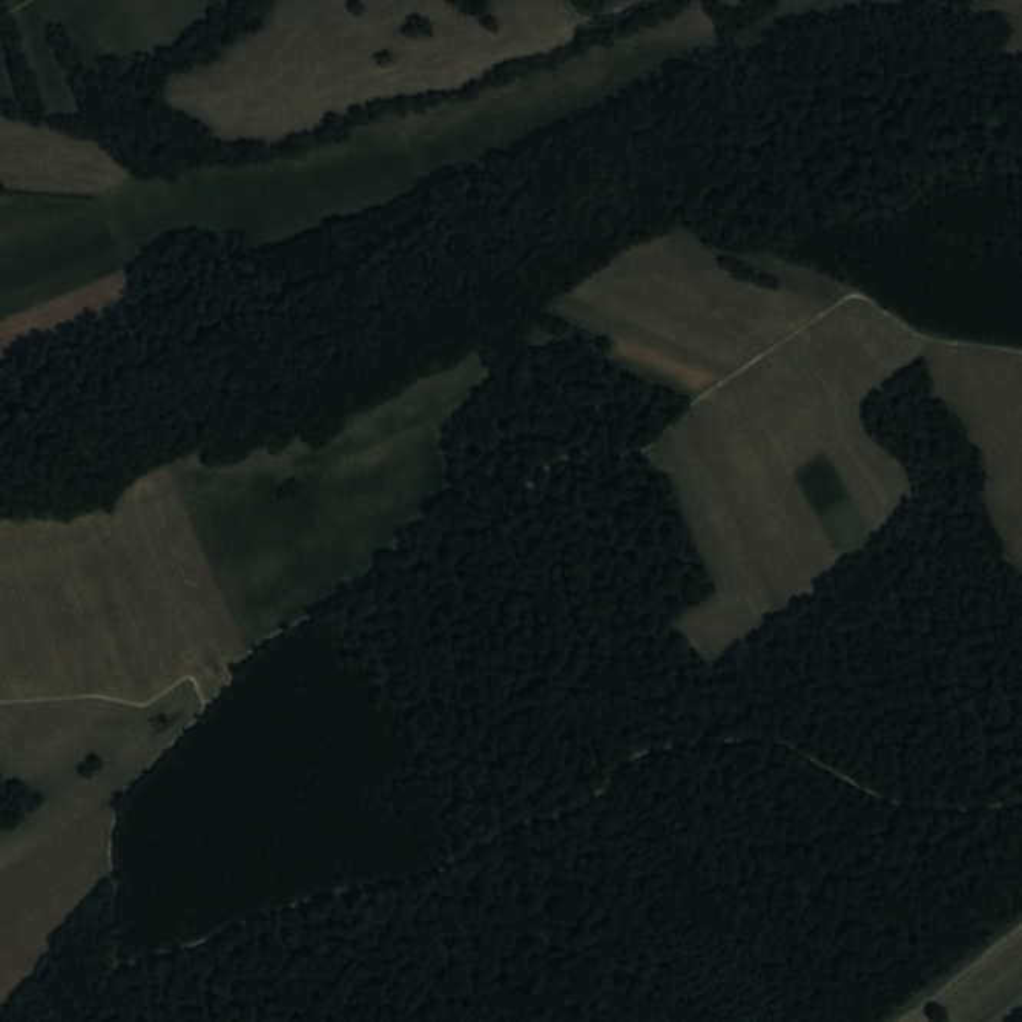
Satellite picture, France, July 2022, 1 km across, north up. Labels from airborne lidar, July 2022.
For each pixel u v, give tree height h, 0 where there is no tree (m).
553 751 26
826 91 30
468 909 28
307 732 12
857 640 14
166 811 10
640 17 16
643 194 17
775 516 0
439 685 31
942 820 29
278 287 32
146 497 0
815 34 36
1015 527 0
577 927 11
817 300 0
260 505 0
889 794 24
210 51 14
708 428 0
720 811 32
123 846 11
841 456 0
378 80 0
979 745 29
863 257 10
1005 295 6
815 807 23
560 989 23
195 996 29
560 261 17
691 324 0
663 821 28
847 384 0
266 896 9
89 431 20
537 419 28
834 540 0
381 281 24
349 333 21
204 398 21
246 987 29
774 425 0
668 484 14
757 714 24
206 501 0
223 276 28
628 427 24
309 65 0
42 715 0
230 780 10
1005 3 0
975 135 15
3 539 0
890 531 15
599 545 32
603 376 31
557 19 0
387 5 0
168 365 27
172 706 0
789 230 30
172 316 36
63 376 33
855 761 29
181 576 0
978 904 20
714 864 28
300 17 0
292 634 13
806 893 6
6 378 31
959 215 8
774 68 31
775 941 17
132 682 0
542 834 26
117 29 0
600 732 20
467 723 24
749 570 0
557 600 29
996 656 23
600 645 28
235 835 11
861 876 28
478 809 30
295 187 0
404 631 28
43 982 19
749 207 31
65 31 15
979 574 22
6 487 18
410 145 0
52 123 13
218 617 0
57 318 0
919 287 7
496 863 30
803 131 31
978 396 0
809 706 30
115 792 0
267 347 21
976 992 0
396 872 10
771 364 0
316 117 0
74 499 22
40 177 0
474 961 29
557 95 0
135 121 24
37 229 0
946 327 7
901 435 14
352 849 11
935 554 21
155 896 9
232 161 19
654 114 28
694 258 0
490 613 35
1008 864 22
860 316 0
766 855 28
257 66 0
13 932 0
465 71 0
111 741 0
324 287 33
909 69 25
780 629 19
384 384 21
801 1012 20
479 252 17
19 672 0
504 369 23
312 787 15
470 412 18
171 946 8
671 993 29
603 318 0
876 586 17
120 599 0
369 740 9
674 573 28
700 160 22
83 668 0
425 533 23
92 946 20
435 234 32
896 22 25
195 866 10
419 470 0
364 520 0
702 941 17
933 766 19
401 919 32
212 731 10
